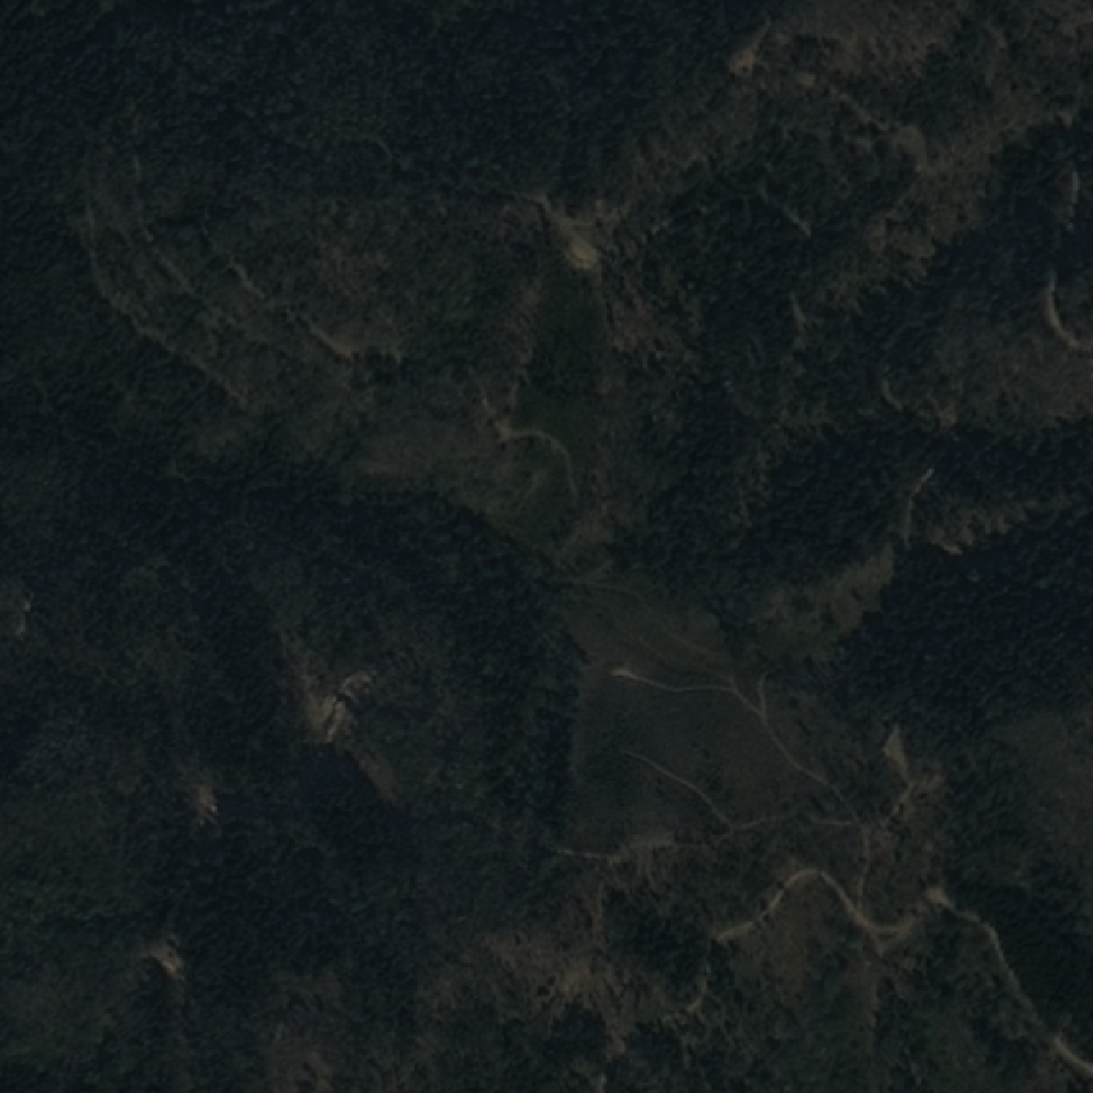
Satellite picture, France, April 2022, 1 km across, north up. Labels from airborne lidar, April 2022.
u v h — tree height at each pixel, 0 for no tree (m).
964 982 22
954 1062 14
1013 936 19
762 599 21
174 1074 29
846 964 16
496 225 27
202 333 23
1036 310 22
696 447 27
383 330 20
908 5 26
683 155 22
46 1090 30
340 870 32
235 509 31
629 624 0
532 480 11
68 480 29
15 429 32
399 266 25
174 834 24
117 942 23
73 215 18
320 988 0
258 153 18
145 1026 28
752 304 25
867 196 33
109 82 30
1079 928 18
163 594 30
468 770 29
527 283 26
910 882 11
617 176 15
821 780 0
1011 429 24
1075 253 22
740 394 26
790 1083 24
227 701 21
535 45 34
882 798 24
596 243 0
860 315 8
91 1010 21
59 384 32
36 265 28
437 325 26
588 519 20
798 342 19
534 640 24
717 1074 33
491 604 25
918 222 18
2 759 14
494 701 17
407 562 29
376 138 19
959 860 18
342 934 30
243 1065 23
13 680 17
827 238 24
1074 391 19
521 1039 29
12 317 28
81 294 23
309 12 17
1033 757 21
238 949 26
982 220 27
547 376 7
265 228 14
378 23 23
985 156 13
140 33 27
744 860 6
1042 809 24
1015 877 9
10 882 29
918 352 16
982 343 19
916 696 26
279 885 30
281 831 34
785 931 0
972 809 29
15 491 25
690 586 31
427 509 30
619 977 31
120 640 26
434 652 30
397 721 30
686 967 22
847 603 0
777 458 35
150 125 17
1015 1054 19
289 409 24
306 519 30
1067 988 21
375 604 26
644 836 0
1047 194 6
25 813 24
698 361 28
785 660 0
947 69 34
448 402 23
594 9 34
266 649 32
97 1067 31
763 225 32
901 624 31
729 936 0
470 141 34
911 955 8
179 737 24
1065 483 16
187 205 6
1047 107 12
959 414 13
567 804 32
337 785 34
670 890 12
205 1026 27
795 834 7
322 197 22
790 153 9
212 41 23
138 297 28
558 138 24
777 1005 20
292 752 36
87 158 22
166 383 25
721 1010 27
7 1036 23
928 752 19
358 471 15
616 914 22
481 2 27
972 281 12
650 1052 27
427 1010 20
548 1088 26
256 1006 22
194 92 7
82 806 21
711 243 28
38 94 28
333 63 20
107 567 30
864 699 27
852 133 12
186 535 37
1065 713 20
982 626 30
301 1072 0
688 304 8
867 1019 0
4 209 8
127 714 29
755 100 20
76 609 28
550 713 7
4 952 25
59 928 22
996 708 15
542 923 29
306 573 29
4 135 29
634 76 11
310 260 19
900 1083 24
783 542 30
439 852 30
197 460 29
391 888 34
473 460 13
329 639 27
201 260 21
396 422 17
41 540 28
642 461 29
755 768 0
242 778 32
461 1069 11
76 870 28
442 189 24
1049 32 6
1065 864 19
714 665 0
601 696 0
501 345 24
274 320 21
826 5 14
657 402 28
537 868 22
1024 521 11
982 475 23
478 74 31
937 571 34
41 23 27
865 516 27
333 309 21
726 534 32
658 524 26
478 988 24
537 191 23
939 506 8
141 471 24
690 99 14
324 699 0
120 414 10
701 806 5
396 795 0
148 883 25
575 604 19
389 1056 21
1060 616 27
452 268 26
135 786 15
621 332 23
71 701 25
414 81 27
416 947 22
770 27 11
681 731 0
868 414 21
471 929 22
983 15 13
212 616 39
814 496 33
